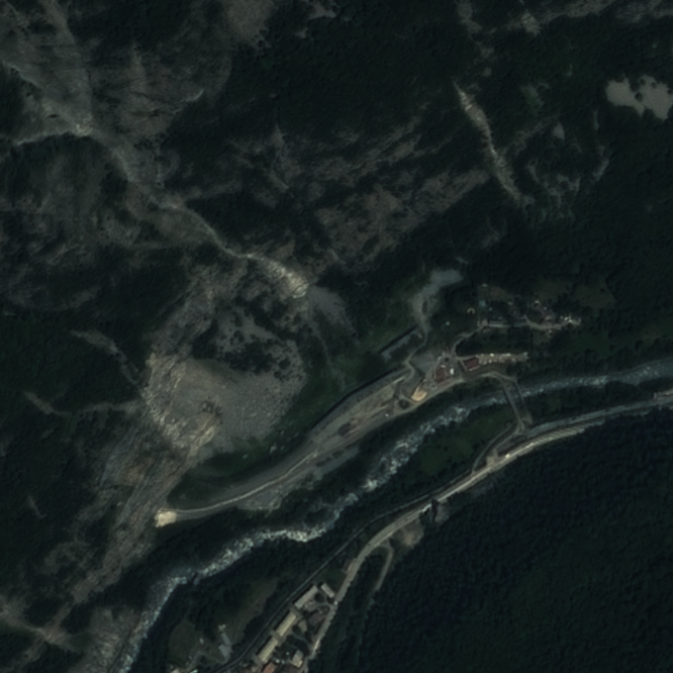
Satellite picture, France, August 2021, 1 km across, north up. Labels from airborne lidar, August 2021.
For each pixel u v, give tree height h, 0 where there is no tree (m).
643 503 22
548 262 18
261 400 0
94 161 8
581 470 19
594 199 14
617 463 24
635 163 19
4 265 11
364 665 14
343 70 31
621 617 17
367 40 32
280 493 0
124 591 17
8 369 26
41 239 8
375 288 11
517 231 18
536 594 10
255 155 19
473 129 12
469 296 10
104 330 18
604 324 15
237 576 15
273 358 7
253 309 8
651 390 8
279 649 10
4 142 19
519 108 11
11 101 19
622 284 24
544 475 10
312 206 13
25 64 0
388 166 10
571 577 14
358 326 10
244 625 0
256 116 16
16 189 12
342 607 13
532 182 11
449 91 11
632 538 19
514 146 8
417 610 15
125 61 13
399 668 18
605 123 17
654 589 23
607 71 17
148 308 13
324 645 8
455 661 20
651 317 23
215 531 19
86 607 10
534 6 10
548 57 22
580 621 19
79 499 10
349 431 0
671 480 18
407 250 19
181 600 16
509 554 19
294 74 23
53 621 7
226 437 0
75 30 14
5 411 12
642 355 12
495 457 0
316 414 6
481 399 0
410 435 0
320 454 0
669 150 21
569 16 14
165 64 9
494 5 12
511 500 18
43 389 14
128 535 7
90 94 0
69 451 12
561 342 10
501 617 16
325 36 30
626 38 25
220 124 15
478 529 15
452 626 18
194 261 7
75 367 16
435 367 0
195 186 10
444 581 20
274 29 20
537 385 0
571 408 13
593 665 17
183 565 0
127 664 0
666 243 15
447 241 9
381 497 10
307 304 0
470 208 13
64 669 12
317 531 0
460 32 18
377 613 13
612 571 12
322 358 10
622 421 20
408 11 22
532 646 21
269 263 0
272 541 15
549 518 17
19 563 13
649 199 13
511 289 10
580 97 18
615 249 20
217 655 0
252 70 22
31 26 14
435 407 17
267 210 18
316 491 8
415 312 0
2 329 23
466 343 10
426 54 18
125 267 9
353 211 8
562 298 12
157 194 0
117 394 16
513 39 22
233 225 17
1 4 10
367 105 15
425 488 19
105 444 11
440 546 16
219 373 0
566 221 9
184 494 0
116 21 15
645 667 13
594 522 20
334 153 11
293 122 9
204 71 9
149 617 0
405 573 17
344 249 8
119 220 8
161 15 14
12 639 15
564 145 10
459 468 16
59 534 14
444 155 15
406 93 8
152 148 14
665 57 9
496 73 12
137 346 15
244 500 0
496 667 13
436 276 0
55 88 0
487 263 15
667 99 0
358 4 34
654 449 28
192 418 0
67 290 11
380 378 0
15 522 27
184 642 0
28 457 19
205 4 9
